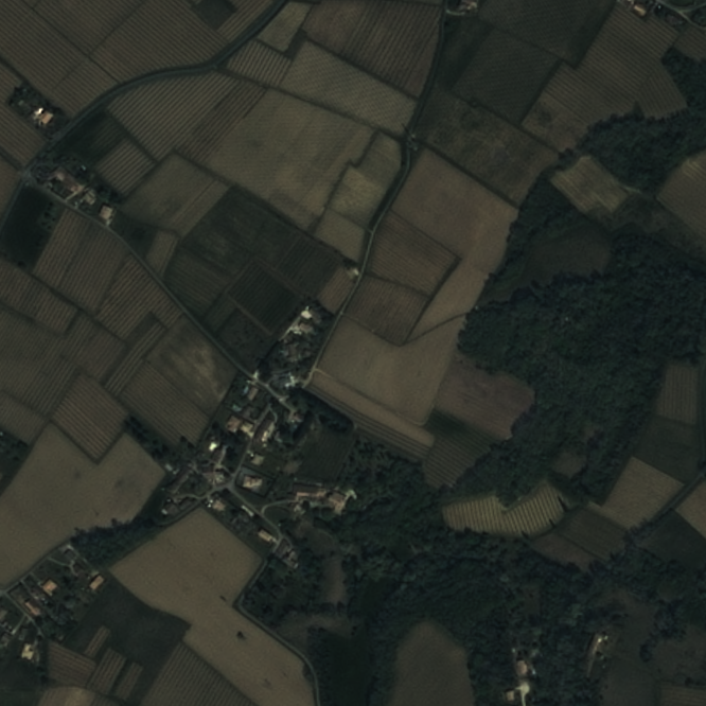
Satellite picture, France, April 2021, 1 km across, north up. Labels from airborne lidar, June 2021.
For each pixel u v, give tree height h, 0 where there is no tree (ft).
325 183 0
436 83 0
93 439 0
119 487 0
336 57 0
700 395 0
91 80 0
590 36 0
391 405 0
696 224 0
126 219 0
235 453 32
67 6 0
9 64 0
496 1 0
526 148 0
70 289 0
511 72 0
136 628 0
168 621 0
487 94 0
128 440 0
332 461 0
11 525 0
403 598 59
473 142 0
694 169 0
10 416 0
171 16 0
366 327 0
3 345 0
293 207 0
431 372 0
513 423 0
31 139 0
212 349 0
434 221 0
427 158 0
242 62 0
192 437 0
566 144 0
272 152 0
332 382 0
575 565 0
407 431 0
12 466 0
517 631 38
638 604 27
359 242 0
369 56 0
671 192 0
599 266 0
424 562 37
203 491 54
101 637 0
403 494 37
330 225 0
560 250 0
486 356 46
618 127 70
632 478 0
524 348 53
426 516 59
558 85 0
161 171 0
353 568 26
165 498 0
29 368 0
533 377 33
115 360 0
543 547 0
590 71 0
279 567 57
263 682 0
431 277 0
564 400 65
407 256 0
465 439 0
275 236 0
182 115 0
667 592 0
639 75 0
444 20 0
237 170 0
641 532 40
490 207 0
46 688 41
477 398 0
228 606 0
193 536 0
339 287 0
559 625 60
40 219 0
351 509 23
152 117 0
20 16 0
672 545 0
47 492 0
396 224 0
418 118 0
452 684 0
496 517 0
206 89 0
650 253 37
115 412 0
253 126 0
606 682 0
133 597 0
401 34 0
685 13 0
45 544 0
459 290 0
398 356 0
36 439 0
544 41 0
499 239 0
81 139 0
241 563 0
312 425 36
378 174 0
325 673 29
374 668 51
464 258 0
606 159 47
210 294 0
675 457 0
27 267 31
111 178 0
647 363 45
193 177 0
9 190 0
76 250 0
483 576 65
